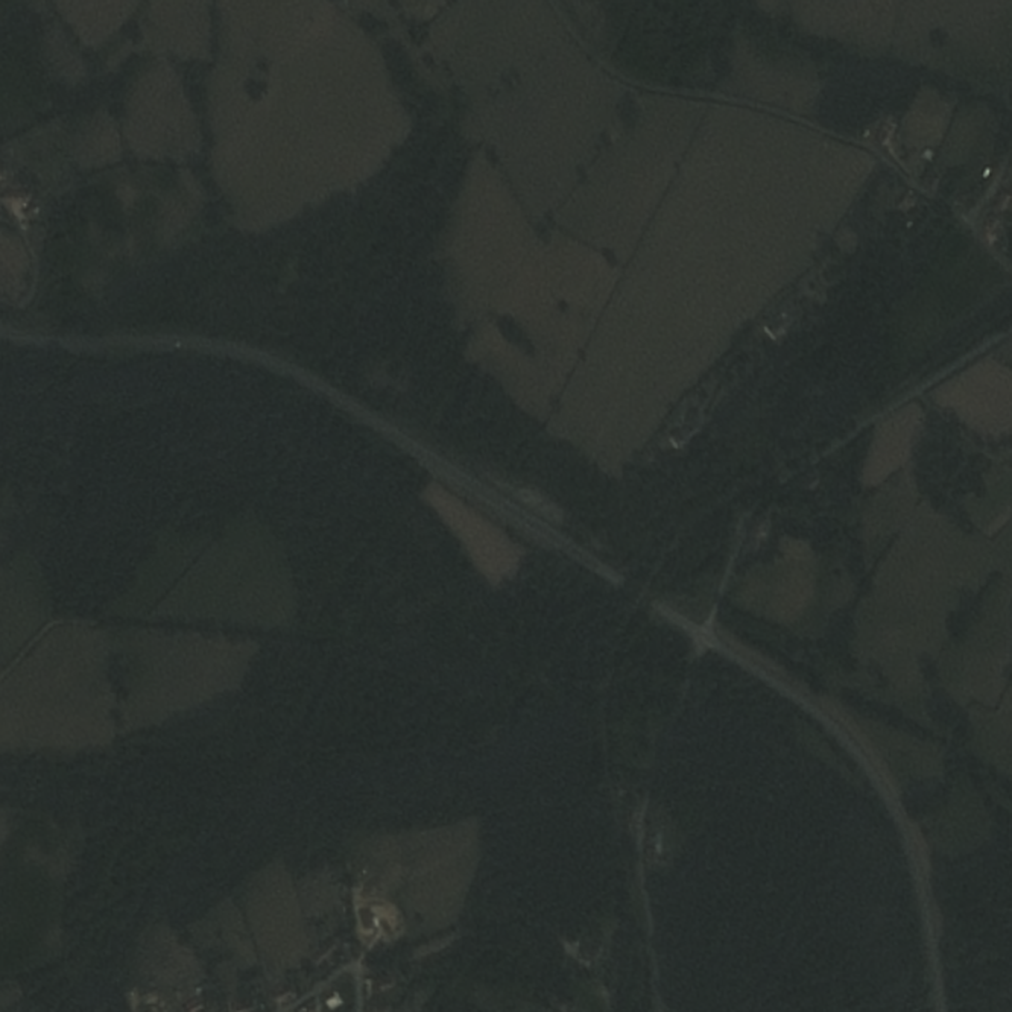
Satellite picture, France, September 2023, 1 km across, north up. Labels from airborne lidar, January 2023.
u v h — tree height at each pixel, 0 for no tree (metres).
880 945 23
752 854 28
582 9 0
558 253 0
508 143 0
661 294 0
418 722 13
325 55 0
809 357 11
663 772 8
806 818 25
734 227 0
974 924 11
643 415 0
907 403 0
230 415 22
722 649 0
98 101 14
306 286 13
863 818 23
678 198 0
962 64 0
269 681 15
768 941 25
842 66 9
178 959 0
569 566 10
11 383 24
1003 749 0
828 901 25
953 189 6
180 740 18
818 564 0
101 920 9
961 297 0
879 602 0
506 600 11
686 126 0
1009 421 0
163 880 11
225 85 0
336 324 22
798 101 0
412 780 24
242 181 0
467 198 0
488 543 0
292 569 16
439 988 8
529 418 8
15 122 0
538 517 0
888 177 13
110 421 16
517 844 24
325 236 12
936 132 0
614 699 21
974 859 7
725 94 0
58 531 14
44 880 0
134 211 0
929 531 0
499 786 26
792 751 18
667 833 0
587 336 0
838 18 0
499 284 0
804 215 0
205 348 0
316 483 28
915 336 0
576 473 17
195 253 14
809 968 29
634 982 17
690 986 25
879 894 24
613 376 0
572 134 0
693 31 9
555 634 18
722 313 0
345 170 0
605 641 11
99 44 0
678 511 16
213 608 0
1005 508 0
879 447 0
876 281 11
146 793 16
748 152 0
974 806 0
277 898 0
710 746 24
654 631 10
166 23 0
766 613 0
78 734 0
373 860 0
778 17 0
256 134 0
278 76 0
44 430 21
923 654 0
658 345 0
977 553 0
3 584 0
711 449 11
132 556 15
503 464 7
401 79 9
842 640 21
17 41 18
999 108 15
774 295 0
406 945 11
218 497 18
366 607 0
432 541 20
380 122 0
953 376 0
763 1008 13
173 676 0
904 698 0
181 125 0
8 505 0
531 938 23
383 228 20
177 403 14
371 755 14
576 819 26
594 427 0
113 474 14
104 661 0
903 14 0
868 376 12
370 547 7
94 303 0
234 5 0
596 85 0
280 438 25
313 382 0
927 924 0
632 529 12
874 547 0
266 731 16
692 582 10
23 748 0
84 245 0
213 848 26
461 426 24
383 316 27
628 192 0
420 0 0
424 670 18
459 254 0
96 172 7
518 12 0
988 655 0
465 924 14
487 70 0
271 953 0
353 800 20
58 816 20
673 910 26
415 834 0
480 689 15
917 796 18
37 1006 7
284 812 21
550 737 21
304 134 0
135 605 0
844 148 0
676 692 11
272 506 25
